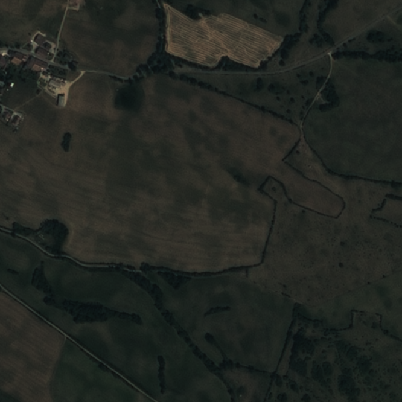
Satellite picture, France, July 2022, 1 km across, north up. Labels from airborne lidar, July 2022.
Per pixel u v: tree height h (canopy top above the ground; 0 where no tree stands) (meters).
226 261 0
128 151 0
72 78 0
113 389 0
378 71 0
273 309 0
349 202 0
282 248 0
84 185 0
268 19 0
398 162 0
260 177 0
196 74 0
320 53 0
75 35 0
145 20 0
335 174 6
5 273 0
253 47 0
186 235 0
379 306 0
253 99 0
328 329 7
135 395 0
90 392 0
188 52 0
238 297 0
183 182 0
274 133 0
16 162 0
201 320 0
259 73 0
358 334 0
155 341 0
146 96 0
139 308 0
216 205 0
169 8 0
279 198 0
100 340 0
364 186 0
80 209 0
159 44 13
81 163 0
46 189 0
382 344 0
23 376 0
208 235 0
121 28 0
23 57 0
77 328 0
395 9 0
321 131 0
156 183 0
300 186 0
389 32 0
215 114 0
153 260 0
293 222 0
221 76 0
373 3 0
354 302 0
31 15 0
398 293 0
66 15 0
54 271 0
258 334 0
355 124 0
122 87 0
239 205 0
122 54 0
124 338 0
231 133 0
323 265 0
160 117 0
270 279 0
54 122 0
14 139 0
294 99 11
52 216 0
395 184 14
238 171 0
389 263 0
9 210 0
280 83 0
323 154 0
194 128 0
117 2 0
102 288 0
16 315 0
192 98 0
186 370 0
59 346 0
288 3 0
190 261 0
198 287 0
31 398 0
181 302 0
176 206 0
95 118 0
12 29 0
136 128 0
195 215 0
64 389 0
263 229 0
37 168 0
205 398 0
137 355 0
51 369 0
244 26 0
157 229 0
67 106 0
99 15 0
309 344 7
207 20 0
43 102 0
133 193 0
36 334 0
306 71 0
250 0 0
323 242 0
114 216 0
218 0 0
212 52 0
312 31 0
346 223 0
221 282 0
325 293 0
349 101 0
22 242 0
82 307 13
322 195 0
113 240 0
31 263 0
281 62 12
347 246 0
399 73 0
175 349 0
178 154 0
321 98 0
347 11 0
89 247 0
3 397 0
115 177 0
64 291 0
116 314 8
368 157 0
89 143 0
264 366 0
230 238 0
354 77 0
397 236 0
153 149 0
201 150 0
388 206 0
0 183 0
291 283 0
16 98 0
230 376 0
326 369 5
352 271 0
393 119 0
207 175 0
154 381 0
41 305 0
